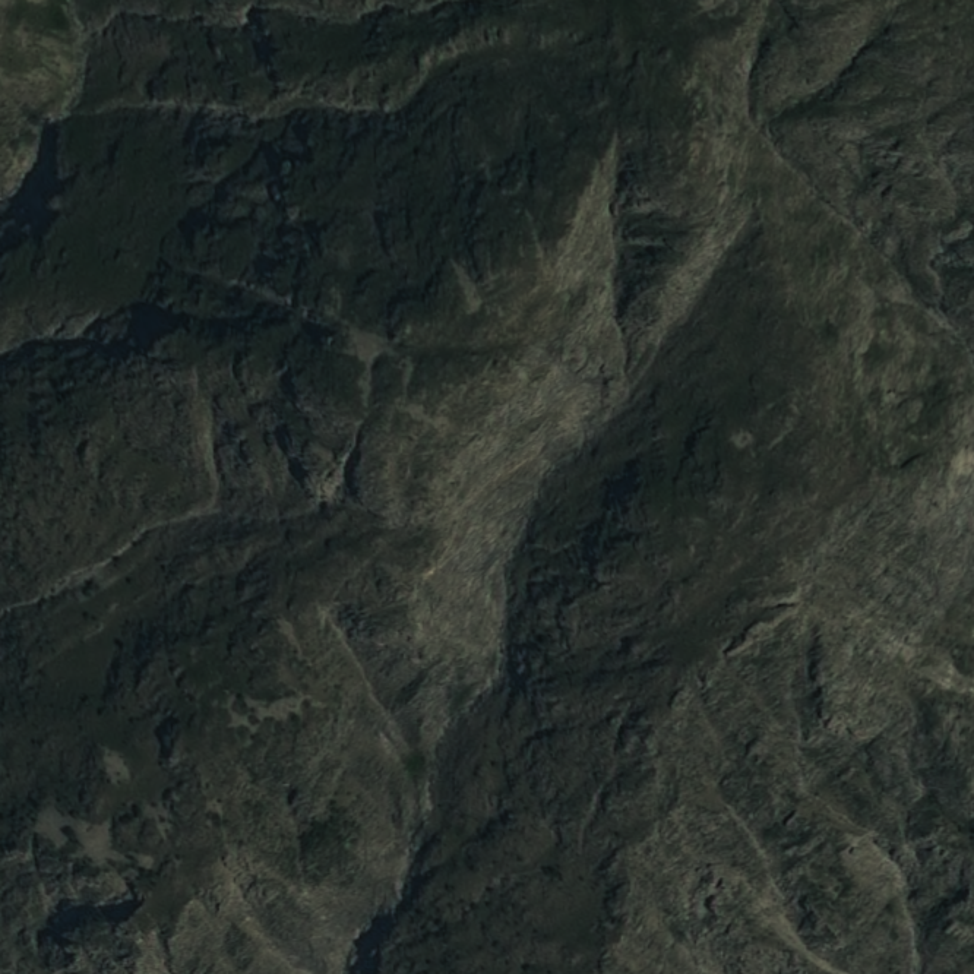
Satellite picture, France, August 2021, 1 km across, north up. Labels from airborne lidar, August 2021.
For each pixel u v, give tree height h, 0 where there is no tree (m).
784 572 0
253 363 0
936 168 0
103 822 0
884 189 0
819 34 0
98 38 0
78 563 0
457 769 0
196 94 0
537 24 0
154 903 0
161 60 0
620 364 0
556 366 0
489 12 0
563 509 0
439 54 0
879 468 0
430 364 0
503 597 0
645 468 0
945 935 15
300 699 0
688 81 0
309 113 0
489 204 0
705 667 0
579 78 0
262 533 0
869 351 0
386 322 0
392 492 0
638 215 0
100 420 0
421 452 0
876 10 0
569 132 0
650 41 0
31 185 0
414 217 0
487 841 7
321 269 0
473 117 0
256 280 0
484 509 0
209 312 0
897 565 0
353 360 0
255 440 0
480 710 0
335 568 0
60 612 0
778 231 0
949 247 0
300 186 0
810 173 0
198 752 0
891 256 0
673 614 0
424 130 0
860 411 0
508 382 0
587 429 0
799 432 0
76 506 0
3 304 0
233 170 0
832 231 0
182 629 0
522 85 0
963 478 0
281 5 0
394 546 0
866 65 0
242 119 0
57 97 0
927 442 0
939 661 0
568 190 0
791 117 0
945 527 0
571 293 0
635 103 0
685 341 0
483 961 0
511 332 0
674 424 0
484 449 0
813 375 0
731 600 0
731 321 0
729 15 0
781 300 0
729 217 0
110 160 0
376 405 0
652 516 0
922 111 0
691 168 0
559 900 0
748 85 0
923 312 0
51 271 0
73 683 0
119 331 0
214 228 0
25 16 0
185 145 0
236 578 0
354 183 0
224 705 0
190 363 0
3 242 0
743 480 0
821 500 0
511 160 0
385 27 0
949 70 0
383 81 0
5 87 0
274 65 0
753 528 0
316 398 0
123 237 0
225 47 0
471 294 0
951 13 0
